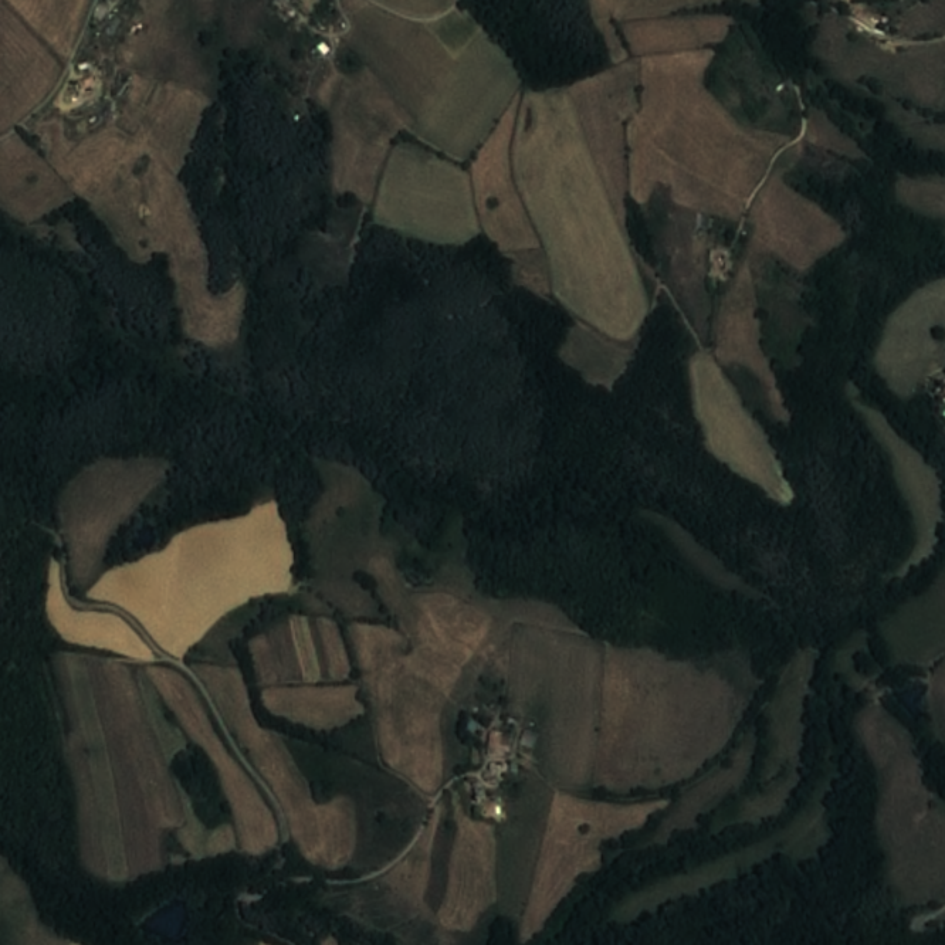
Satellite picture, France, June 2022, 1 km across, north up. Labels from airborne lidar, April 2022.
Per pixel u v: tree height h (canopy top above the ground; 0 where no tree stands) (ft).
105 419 51
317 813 0
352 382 38
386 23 0
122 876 0
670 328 28
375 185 0
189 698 0
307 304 33
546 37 35
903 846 0
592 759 0
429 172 0
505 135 0
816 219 0
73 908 57
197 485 60
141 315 52
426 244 30
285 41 0
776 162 0
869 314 55
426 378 40
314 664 0
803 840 0
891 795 0
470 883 0
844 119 31
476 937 0
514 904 0
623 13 0
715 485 35
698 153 0
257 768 0
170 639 0
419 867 0
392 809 0
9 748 58
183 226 0
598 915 79
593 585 72
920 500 0
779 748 0
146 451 45
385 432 34
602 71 40
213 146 57
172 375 54
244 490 46
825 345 30
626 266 0
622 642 41
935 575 37
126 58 0
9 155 0
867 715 0
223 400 39
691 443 34
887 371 0
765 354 20
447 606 0
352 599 0
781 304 0
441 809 0
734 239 30
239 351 0
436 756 0
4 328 28
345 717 0
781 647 34
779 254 0
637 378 42
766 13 43
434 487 44
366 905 0
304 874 28
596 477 63
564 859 0
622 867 68
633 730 0
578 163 0
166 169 0
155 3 0
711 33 0
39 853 50
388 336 42
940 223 18
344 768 0
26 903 0
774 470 0
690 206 0
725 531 40
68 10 0
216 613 0
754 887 70
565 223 0
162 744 0
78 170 0
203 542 0
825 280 35
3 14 0
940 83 0
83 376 80
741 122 0
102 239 52
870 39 0
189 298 0
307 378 42
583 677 0
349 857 0
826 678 76
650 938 76
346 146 0
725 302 0
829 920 43
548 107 0
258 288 32
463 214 0
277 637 0
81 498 0
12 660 74
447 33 0
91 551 0
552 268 0
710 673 0
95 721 0
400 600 0
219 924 61
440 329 42
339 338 44
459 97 0
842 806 47
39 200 0
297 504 62
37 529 45
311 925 56
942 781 54
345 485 0
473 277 39
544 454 49
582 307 0
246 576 0
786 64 37
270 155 44
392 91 0
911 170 36
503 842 0
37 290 42
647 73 0
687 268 0
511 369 58
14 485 47
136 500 0
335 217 0
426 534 25
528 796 0
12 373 60
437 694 0
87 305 48
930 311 0
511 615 0
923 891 0
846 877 62
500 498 27
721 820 0
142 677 0
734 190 0
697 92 0
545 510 82
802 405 36
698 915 65
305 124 41
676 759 0
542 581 48
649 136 0
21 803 54
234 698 0
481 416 45
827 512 62
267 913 35
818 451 37
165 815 0
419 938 0
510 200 0
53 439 73
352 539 0
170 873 39
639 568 64
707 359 0
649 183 0
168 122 0
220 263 43
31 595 55
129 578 0
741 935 61
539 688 0
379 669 0
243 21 0
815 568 39
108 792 0
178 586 0
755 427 0
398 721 0
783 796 0
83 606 0
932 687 0
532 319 37
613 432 39
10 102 0
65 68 0
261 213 48
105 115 0
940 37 23
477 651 0
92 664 0
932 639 0
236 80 50
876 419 0
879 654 53
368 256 45
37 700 64
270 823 0
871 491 49
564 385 47
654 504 22
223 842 0
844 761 52
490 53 0
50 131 0
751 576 19
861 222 37
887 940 35
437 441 32
